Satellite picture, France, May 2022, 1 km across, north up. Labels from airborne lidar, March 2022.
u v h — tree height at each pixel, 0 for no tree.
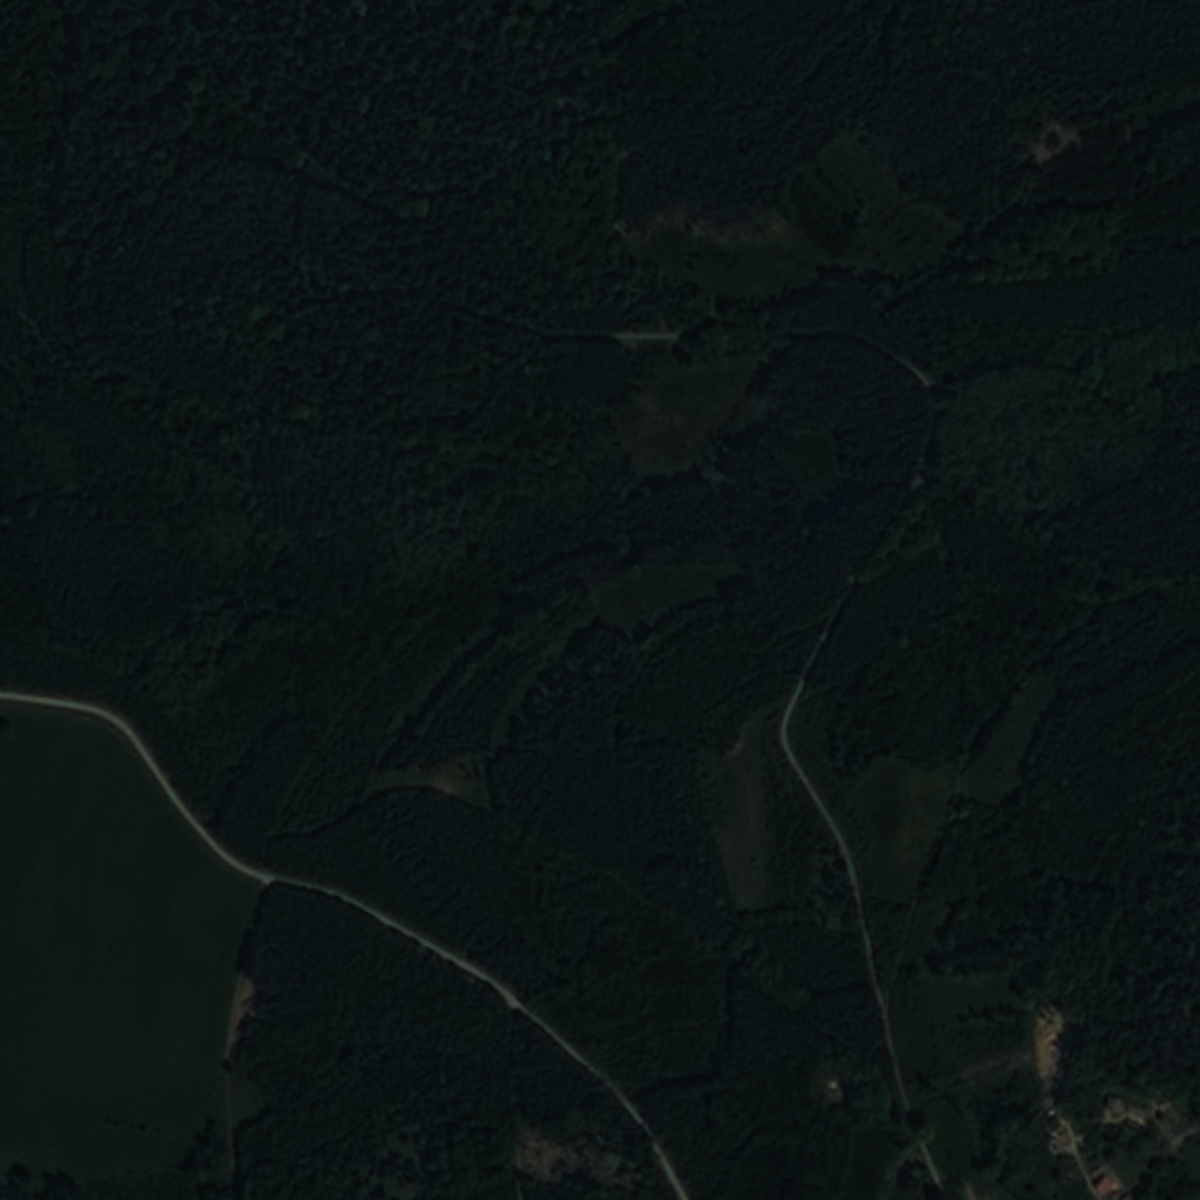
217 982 0
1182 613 6
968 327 19
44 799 0
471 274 32
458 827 12
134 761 0
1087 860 15
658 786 18
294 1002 25
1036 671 9
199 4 24
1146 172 16
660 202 25
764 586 26
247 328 19
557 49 29
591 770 15
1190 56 21
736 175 22
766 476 24
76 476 16
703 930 17
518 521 18
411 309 30
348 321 27
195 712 12
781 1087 14
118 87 32
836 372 24
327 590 24
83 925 0
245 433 14
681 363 24
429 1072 18
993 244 26
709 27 19
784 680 6
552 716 18
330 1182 24
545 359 19
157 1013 0
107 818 0
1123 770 19
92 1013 0
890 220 0
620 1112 20
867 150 22
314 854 10
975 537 13
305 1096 13
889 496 26
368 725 9
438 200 30
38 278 12
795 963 9
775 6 18
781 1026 22
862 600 9
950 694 11
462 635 6
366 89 31
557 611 31
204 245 20
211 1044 0
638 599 0
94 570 18
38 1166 0
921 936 0
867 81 25
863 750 13
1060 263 19
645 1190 26
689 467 0
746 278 0
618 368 17
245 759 8
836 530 26
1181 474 24
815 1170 16
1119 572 26
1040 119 18
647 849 15
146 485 15
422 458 25
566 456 17
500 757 12
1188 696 14
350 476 20
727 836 0
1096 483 17
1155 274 21
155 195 30
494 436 30
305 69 30
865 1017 22
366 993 8
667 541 30
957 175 22
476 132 31
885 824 0
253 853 18
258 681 9
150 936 0
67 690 10
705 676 10
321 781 7
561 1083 17
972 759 18
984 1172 16
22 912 0
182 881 0
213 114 9
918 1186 17
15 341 19
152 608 22
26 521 16
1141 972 7
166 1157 0
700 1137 8
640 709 9
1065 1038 0
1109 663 11
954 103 27
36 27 11
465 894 13
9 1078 0
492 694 14
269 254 24
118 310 19
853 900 16
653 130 20
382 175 30
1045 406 20
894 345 20
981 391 25
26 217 7
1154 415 25
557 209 22
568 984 11
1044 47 22
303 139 30
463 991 20
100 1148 0
